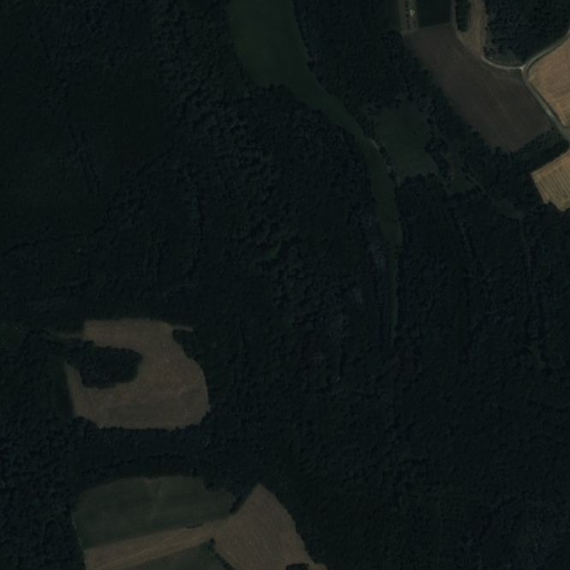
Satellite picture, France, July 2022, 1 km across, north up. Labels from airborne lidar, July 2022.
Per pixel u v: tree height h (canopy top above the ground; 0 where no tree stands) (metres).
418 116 0
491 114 0
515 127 0
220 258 26
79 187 10
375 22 8
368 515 11
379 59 8
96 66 16
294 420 18
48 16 9
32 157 10
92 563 0
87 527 0
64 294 12
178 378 0
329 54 17
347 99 27
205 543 0
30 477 24
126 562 0
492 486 19
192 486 0
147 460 23
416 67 19
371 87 15
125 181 21
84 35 11
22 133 9
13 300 15
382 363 30
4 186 13
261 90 15
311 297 28
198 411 0
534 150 10
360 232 14
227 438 13
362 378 28
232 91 8
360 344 22
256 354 29
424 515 7
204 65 8
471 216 27
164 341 0
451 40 0
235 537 0
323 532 14
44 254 27
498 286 14
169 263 27
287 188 21
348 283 27
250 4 0
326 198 28
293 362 28
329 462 28
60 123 11
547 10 15
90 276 23
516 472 25
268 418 32
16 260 23
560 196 0
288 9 0
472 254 6
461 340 7
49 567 32
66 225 16
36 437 25
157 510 0
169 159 26
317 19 19
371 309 13
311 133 19
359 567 14
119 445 22
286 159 19
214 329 19
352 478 31
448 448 29
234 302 24
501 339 30
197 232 14
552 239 22
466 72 0
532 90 0
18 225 10
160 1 31
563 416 27
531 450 26
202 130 35
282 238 7
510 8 14
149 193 17
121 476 21
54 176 12
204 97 18
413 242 26
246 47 0
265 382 29
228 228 20
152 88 15
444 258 21
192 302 23
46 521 29
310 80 0
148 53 21
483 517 8
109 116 14
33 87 13
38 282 18
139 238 26
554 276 23
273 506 0
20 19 11
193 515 0
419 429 24
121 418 0
